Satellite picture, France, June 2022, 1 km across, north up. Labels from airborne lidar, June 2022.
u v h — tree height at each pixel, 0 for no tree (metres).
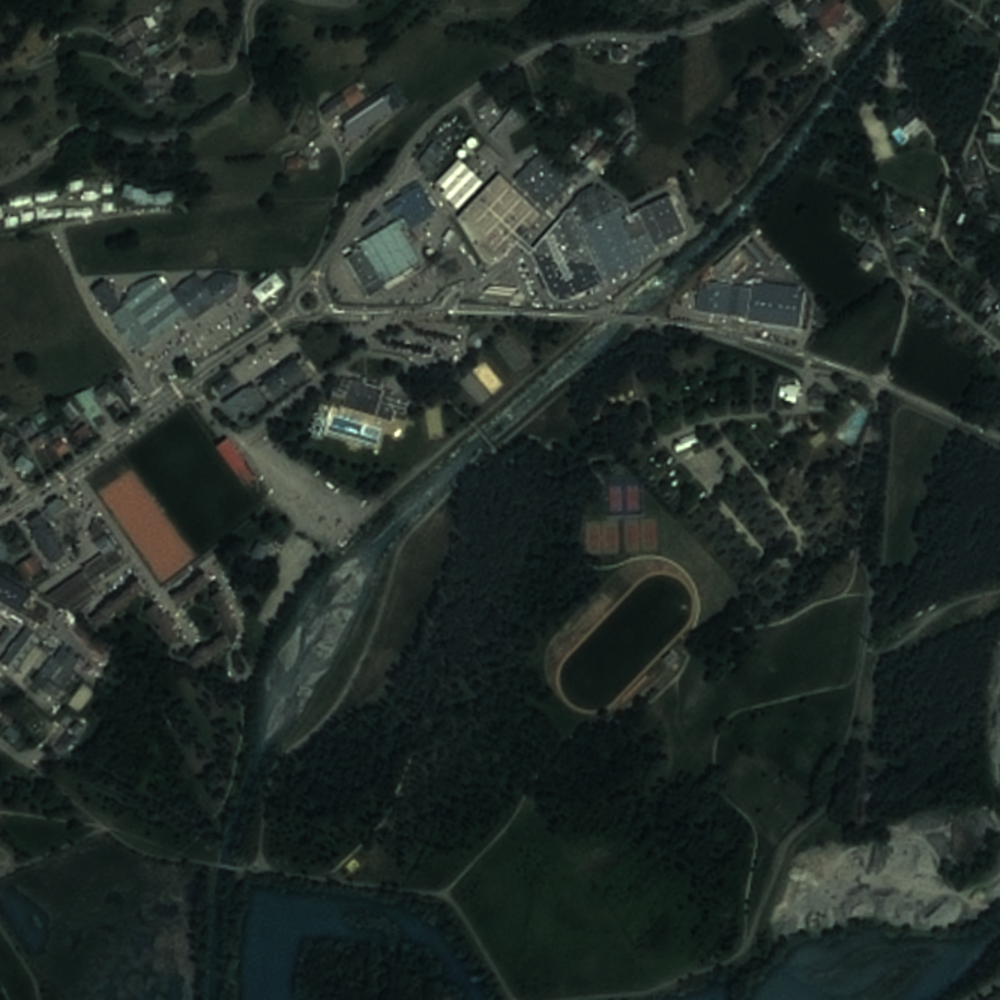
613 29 19
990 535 13
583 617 0
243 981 0
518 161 0
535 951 0
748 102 16
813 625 0
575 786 22
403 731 14
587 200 0
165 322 0
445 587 19
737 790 0
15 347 0
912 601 18
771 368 7
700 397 14
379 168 15
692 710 0
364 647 0
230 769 13
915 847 0
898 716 19
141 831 0
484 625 18
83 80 22
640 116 8
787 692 0
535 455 22
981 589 10
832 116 14
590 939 0
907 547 0
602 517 0
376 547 0
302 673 0
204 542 0
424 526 0
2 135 0
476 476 20
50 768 11
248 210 0
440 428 0
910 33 19
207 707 16
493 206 0
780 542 10
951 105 12
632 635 0
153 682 12
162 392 0
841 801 21
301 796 20
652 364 16
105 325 0
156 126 15
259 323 0
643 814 17
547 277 0
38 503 0
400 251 0
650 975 0
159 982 0
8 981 0
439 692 22
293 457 13
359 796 30
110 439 0
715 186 0
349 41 13
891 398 15
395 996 28
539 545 19
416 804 17
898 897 0
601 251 0
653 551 0
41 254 0
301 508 0
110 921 0
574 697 0
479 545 20
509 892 0
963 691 19
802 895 0
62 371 0
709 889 21
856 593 0
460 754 12
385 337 13
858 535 15
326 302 0
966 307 10
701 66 0
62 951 0
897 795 20
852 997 0
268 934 0
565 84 5
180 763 6
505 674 14
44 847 0
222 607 0
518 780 17
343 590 0
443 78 0
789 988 0
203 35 14
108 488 0
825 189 0
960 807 17
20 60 0
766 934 8
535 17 20
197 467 0
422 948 14
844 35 0
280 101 20
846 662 0
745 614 16
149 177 6
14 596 0
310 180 0
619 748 26
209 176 8
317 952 18
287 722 0
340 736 18
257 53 24
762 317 0
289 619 17
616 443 19
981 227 7
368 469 11
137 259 0
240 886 19
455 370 15
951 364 0
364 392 0
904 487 0
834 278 0
